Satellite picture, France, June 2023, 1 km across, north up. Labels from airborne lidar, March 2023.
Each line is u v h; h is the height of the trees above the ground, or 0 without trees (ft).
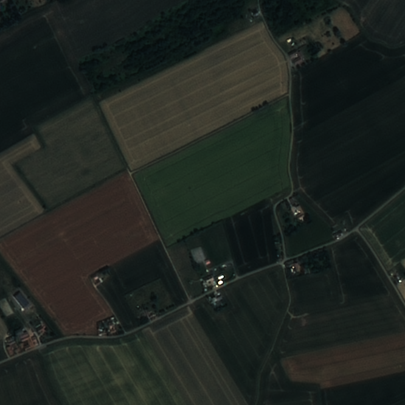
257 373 0
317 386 0
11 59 0
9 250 0
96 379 0
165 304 0
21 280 0
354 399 0
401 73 0
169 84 0
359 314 0
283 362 0
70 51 0
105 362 0
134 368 0
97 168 0
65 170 0
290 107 0
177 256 0
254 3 0
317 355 0
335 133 0
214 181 0
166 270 0
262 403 0
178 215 0
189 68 0
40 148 0
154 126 0
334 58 0
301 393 0
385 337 0
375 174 0
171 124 0
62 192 0
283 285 0
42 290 0
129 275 0
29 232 0
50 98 0
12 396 0
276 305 0
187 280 0
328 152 0
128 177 0
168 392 0
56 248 0
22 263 0
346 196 0
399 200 0
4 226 0
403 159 0
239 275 0
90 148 0
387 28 0
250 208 0
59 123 0
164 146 0
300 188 0
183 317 0
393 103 0
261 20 0
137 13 0
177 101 0
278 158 0
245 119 0
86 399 0
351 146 0
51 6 0
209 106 0
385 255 0
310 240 0
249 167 0
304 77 0
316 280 0
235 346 0
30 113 0
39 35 0
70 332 0
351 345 0
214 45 0
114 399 0
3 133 0
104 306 0
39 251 0
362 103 0
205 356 0
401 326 0
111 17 0
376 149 0
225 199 0
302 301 0
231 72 0
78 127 0
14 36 0
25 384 0
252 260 0
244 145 0
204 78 0
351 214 0
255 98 0
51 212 0
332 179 0
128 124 0
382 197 0
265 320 0
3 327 0
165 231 0
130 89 0
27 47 0
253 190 0
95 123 0
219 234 0
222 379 0
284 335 0
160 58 23
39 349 0
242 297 0
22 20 0
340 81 0
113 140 0
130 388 0
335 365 0
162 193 0
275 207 0
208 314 0
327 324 0
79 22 0
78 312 0
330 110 0
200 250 0
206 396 0
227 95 0
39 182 0
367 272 0
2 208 0
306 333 0
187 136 0
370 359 0
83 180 0
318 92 0
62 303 0
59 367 0
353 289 0
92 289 0
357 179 0
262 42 0
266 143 0
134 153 0
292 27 0
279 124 0
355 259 0
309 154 0
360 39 0
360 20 0
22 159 0
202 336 0
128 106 0
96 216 0
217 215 0
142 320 22
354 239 0
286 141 0
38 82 0
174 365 0
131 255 0
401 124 0
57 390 0
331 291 0
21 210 0
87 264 0
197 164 0
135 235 0
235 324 0
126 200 0
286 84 0
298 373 0
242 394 0
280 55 0
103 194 0
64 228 0
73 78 0
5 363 0
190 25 20
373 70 0
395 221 0
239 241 0
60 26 0
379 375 0
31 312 0
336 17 0
